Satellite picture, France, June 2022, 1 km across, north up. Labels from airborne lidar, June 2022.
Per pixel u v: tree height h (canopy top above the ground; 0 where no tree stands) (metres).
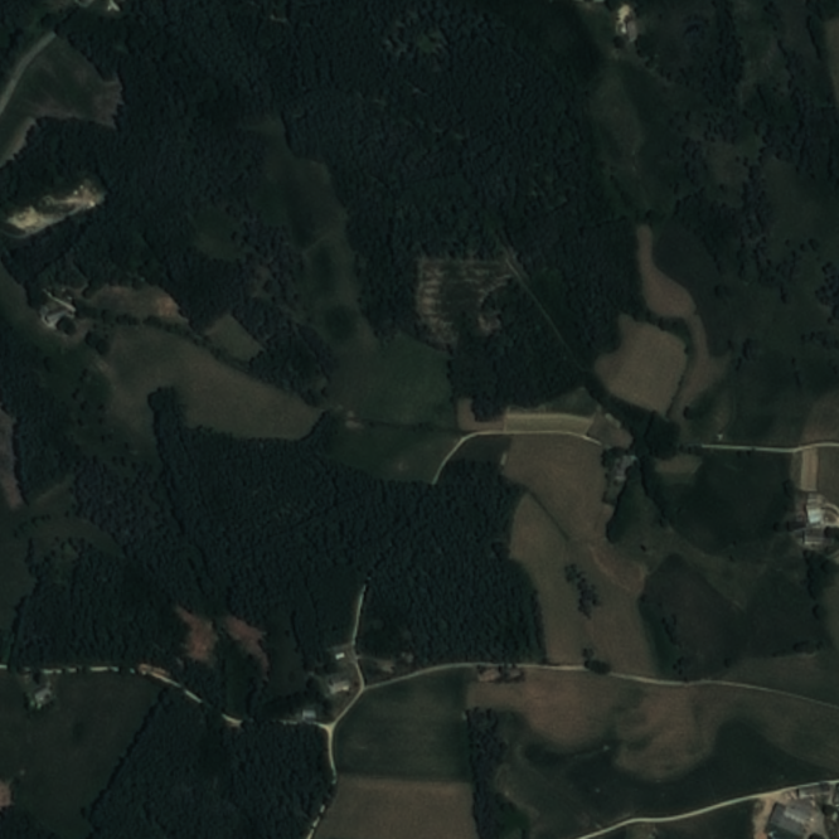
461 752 0
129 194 29
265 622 11
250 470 17
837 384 0
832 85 0
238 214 15
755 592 0
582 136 10
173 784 28
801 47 0
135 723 0
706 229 12
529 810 0
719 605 0
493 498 20
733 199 0
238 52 28
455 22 24
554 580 0
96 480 14
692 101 0
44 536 0
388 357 0
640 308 16
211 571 20
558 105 22
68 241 13
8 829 21
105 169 27
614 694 0
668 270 0
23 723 0
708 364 0
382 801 0
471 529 19
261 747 22
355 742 0
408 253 17
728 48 10
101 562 13
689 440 0
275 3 12
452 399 9
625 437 0
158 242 20
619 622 0
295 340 20
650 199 0
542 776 0
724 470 0
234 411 0
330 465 18
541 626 12
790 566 0
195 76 23
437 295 0
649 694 0
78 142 23
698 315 0
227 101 17
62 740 0
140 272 12
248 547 17
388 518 25
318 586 19
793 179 0
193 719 21
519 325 8
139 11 16
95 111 0
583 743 0
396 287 8
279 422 0
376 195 9
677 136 0
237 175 17
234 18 22
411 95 26
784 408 0
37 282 19
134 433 0
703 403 0
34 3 15
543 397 8
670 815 0
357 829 0
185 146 18
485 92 25
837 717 0
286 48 16
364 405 0
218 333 0
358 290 0
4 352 23
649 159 0
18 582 0
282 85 20
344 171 7
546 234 17
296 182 0
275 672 8
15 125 0
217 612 7
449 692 0
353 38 21
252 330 17
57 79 0
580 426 0
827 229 0
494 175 26
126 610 17
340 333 0
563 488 0
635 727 0
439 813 0
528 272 10
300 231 0
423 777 0
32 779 0
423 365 0
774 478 0
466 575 18
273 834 25
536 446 0
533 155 22
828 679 0
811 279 0
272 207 0
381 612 8
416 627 16
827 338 11
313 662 11
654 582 0
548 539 0
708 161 11
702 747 0
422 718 0
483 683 0
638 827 0
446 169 16
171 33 30
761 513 0
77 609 15
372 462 0
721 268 11
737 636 0
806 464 0
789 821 0
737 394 0
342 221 0
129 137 26
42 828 6
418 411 0
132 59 26
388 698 0
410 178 20
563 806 0
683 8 0
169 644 14
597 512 0
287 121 20
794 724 0
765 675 0
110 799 24
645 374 0
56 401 21
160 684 9
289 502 15
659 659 0
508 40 30
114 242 31
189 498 21
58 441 22
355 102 21
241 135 18
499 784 0
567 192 14
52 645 21
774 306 0
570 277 16
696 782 0
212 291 20
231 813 22
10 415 19
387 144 18
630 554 0
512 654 16
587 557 0
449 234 22
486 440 0
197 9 29
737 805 0
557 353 7
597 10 0
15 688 0
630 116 0
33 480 25
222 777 18
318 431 17
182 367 0
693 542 0
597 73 7
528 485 0
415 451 0
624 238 19
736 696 0
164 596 13
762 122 13
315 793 22
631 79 0
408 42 25
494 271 0
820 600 13
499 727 10
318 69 24
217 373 0
